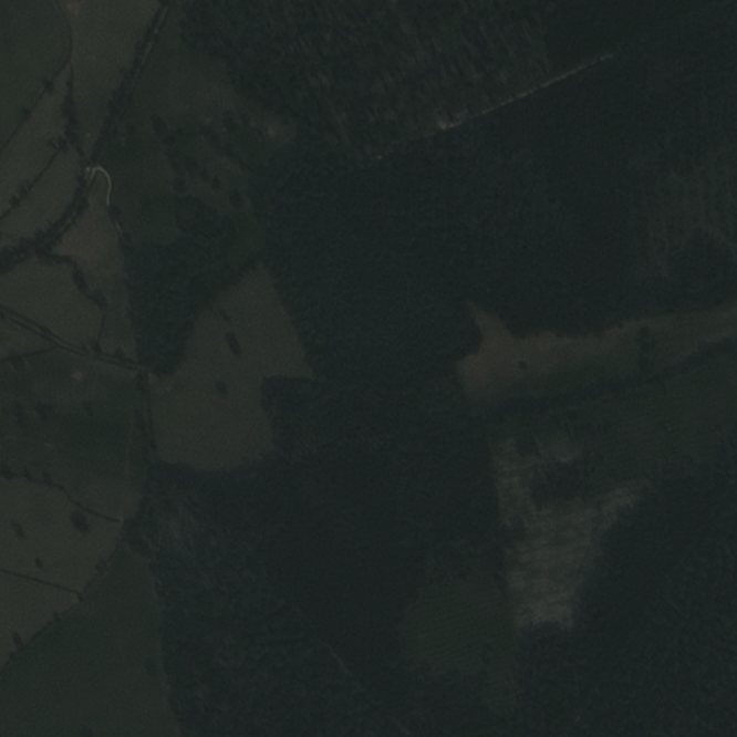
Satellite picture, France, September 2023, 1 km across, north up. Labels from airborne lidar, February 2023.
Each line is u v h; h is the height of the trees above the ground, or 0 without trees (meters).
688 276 8
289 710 34
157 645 0
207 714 16
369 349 22
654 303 17
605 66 8
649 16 8
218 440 0
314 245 18
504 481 0
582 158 6
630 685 29
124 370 0
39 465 0
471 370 0
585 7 12
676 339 0
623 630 18
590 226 7
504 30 25
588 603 14
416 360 21
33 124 0
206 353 0
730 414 0
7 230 0
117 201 0
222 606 30
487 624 0
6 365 0
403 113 29
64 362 0
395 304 19
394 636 12
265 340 0
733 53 9
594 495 0
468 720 11
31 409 0
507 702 0
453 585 0
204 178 14
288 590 18
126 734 0
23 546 0
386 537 15
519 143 21
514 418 0
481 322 0
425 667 12
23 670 0
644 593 19
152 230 0
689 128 13
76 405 0
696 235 9
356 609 16
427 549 14
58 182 0
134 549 13
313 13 25
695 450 0
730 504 23
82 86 0
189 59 0
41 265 0
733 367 0
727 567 31
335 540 14
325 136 26
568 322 18
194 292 20
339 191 23
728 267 8
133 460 0
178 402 0
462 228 10
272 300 0
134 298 19
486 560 14
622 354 0
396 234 24
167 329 14
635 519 14
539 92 8
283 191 19
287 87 0
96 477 0
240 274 10
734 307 0
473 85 6
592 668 20
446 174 8
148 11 0
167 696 0
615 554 9
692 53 11
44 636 0
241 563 27
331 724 29
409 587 13
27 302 0
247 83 28
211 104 0
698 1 6
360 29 28
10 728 0
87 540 0
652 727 11
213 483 17
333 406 13
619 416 0
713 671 34
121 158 0
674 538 15
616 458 0
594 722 29
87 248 0
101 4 0
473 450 13
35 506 0
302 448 17
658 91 6
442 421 13
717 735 31
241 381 0
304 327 10
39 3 0
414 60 26
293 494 15
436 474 11
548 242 5
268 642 32
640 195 18
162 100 0
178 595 10
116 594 0
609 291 6
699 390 0
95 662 0
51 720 0
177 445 0
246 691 32
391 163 8
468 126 10
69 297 0
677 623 36
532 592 0
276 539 16
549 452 0
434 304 19
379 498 12
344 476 15
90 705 0
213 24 0
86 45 0
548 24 9
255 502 16
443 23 0
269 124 0
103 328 0
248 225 0
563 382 0
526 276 12
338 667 28
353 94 31
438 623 0
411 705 19
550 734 21
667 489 13
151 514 6
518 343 0
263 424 0
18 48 0
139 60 8
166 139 13
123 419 0
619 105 6
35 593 0
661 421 0
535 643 19
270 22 29
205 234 22
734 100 18
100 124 0
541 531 0
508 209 19
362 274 22
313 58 0
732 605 36
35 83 0
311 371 24
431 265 18
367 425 12
